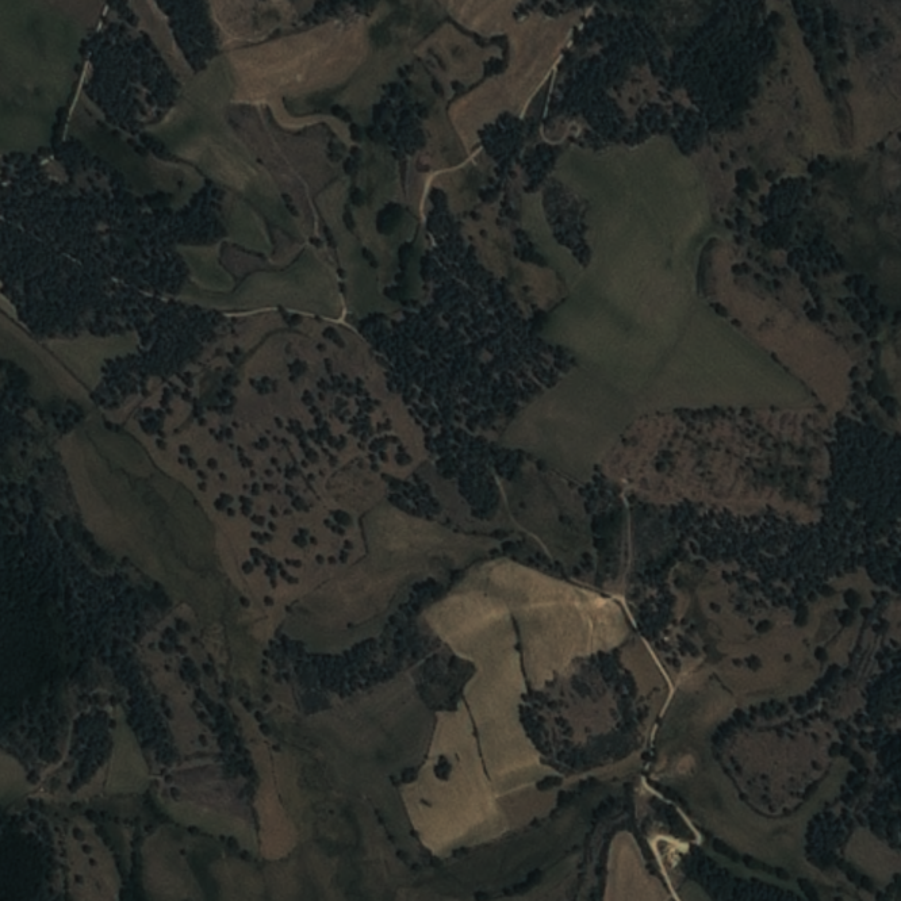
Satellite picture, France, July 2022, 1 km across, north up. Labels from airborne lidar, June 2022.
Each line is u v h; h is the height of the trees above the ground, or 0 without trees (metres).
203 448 0
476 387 20
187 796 0
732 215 0
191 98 0
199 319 15
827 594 17
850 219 7
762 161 0
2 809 9
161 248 15
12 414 14
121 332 18
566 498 0
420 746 0
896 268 0
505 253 0
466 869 0
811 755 0
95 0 0
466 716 0
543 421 0
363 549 0
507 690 0
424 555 0
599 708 0
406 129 17
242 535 0
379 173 0
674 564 8
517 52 0
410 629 6
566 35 0
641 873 0
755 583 13
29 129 0
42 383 0
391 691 0
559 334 0
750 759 0
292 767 0
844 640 0
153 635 0
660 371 0
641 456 0
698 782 0
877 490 19
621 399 0
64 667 12
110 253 18
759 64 20
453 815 0
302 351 0
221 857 0
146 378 20
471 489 17
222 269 0
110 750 6
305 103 0
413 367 21
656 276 0
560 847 0
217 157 0
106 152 0
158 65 19
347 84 0
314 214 0
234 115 0
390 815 0
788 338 0
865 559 19
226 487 0
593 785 18
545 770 0
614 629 0
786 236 16
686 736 0
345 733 0
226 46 0
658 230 0
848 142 0
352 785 0
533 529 0
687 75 17
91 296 15
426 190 0
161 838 0
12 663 12
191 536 0
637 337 0
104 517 0
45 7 0
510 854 0
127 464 0
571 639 0
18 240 17
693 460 0
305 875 0
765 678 0
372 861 0
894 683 19
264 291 0
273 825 0
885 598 13
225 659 0
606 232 0
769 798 8
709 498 0
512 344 20
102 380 0
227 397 15
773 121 0
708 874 6
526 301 0
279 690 0
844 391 0
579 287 0
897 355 0
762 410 0
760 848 0
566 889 0
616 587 0
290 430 12
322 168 0
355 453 0
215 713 13
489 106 0
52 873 7
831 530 20
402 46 0
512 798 0
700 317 0
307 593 0
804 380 0
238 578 0
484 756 0
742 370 0
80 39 0
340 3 16
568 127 0
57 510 0
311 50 0
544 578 0
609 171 0
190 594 0
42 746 6
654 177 0
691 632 11
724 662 0
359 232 0
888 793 6
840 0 0
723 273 0
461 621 0
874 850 0
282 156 0
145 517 0
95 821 15
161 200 17
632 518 0
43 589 12
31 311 17
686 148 18
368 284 0
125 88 16
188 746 0
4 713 11
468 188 0
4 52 0
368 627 0
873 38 10
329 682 15
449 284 11
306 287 0
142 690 19
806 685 0
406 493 6
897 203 0
